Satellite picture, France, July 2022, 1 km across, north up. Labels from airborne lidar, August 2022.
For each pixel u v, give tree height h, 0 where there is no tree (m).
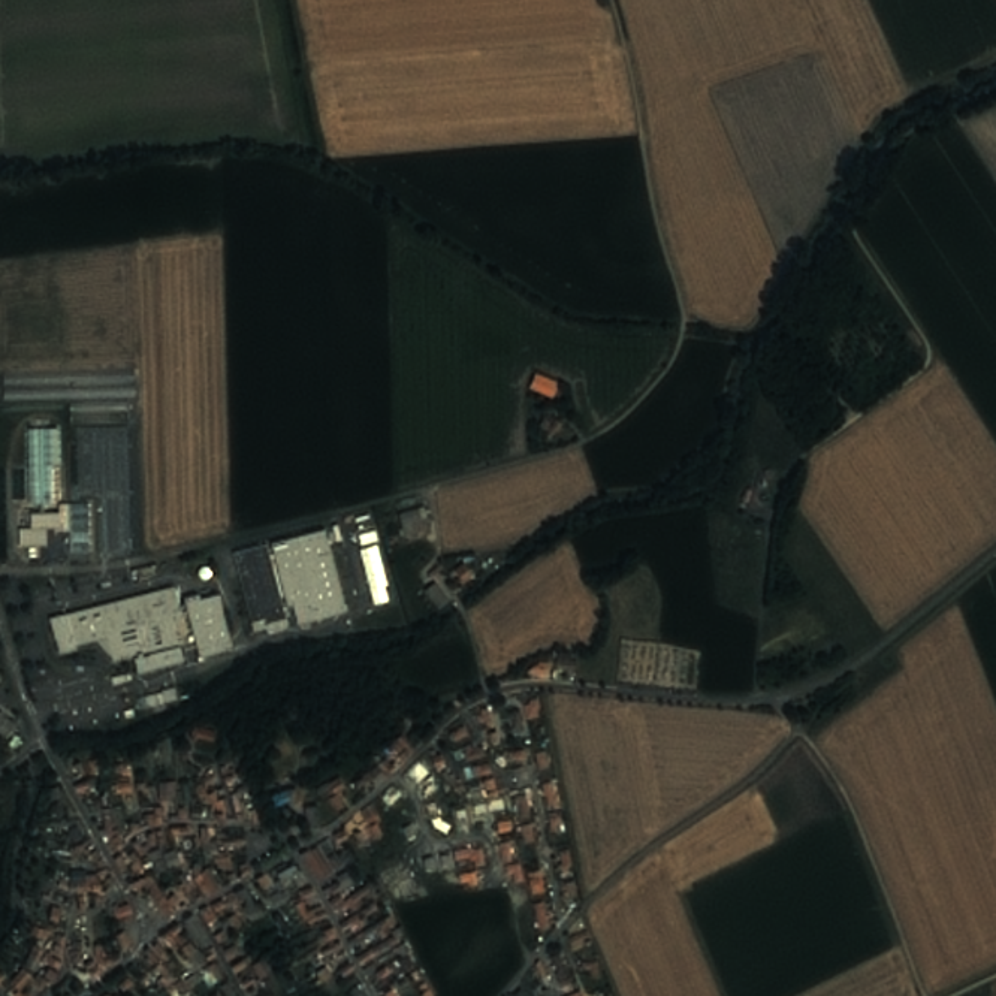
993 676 0
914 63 0
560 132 0
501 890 0
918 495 0
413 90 0
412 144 0
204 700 20
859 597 0
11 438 0
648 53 0
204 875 0
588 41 0
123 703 0
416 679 0
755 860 0
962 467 0
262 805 18
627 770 0
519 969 0
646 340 0
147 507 0
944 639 0
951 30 0
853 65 0
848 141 0
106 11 0
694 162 0
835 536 0
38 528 0
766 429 0
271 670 14
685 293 0
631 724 0
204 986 0
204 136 0
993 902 0
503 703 10
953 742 0
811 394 20
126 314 0
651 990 0
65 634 0
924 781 0
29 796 14
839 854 0
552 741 0
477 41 0
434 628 11
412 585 0
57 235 0
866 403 13
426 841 0
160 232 0
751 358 16
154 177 0
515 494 0
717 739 0
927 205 0
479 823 0
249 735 17
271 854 8
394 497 0
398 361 0
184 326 0
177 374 0
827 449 0
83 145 0
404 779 0
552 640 0
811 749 0
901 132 16
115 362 0
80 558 0
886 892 0
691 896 0
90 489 0
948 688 0
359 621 0
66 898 5
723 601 0
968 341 0
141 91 0
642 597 0
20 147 0
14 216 0
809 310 12
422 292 0
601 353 0
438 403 0
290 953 13
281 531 0
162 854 0
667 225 0
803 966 0
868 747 0
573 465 0
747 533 0
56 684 0
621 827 0
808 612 0
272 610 0
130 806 0
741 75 0
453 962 0
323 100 0
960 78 9
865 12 0
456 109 0
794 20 0
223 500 0
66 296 0
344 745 19
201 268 0
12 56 0
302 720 18
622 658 0
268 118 0
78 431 0
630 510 14
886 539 0
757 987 0
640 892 0
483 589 10
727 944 0
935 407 0
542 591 0
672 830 0
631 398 0
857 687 0
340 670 16
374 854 0
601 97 0
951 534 0
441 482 0
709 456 13
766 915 0
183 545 0
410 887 0
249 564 0
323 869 0
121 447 0
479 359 0
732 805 0
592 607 0
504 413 0
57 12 0
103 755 14
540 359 0
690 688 0
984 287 0
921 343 0
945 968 0
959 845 0
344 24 0
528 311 0
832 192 11
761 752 0
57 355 0
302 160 18
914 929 0
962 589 0
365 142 0
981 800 0
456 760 0
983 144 0
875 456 0
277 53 0
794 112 0
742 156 0
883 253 0
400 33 0
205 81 0
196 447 0
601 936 0
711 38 0
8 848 8
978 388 0
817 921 0
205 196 0
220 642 0
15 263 0
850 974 0
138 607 0
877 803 0
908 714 0
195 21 0
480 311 0
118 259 0
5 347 0
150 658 0
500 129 0
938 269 0
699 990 0
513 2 0
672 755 0
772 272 0
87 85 0
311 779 12
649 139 0
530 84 0
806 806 0
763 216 0
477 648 0
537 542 12
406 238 0
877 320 11
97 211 0
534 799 0
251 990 7
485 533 0
